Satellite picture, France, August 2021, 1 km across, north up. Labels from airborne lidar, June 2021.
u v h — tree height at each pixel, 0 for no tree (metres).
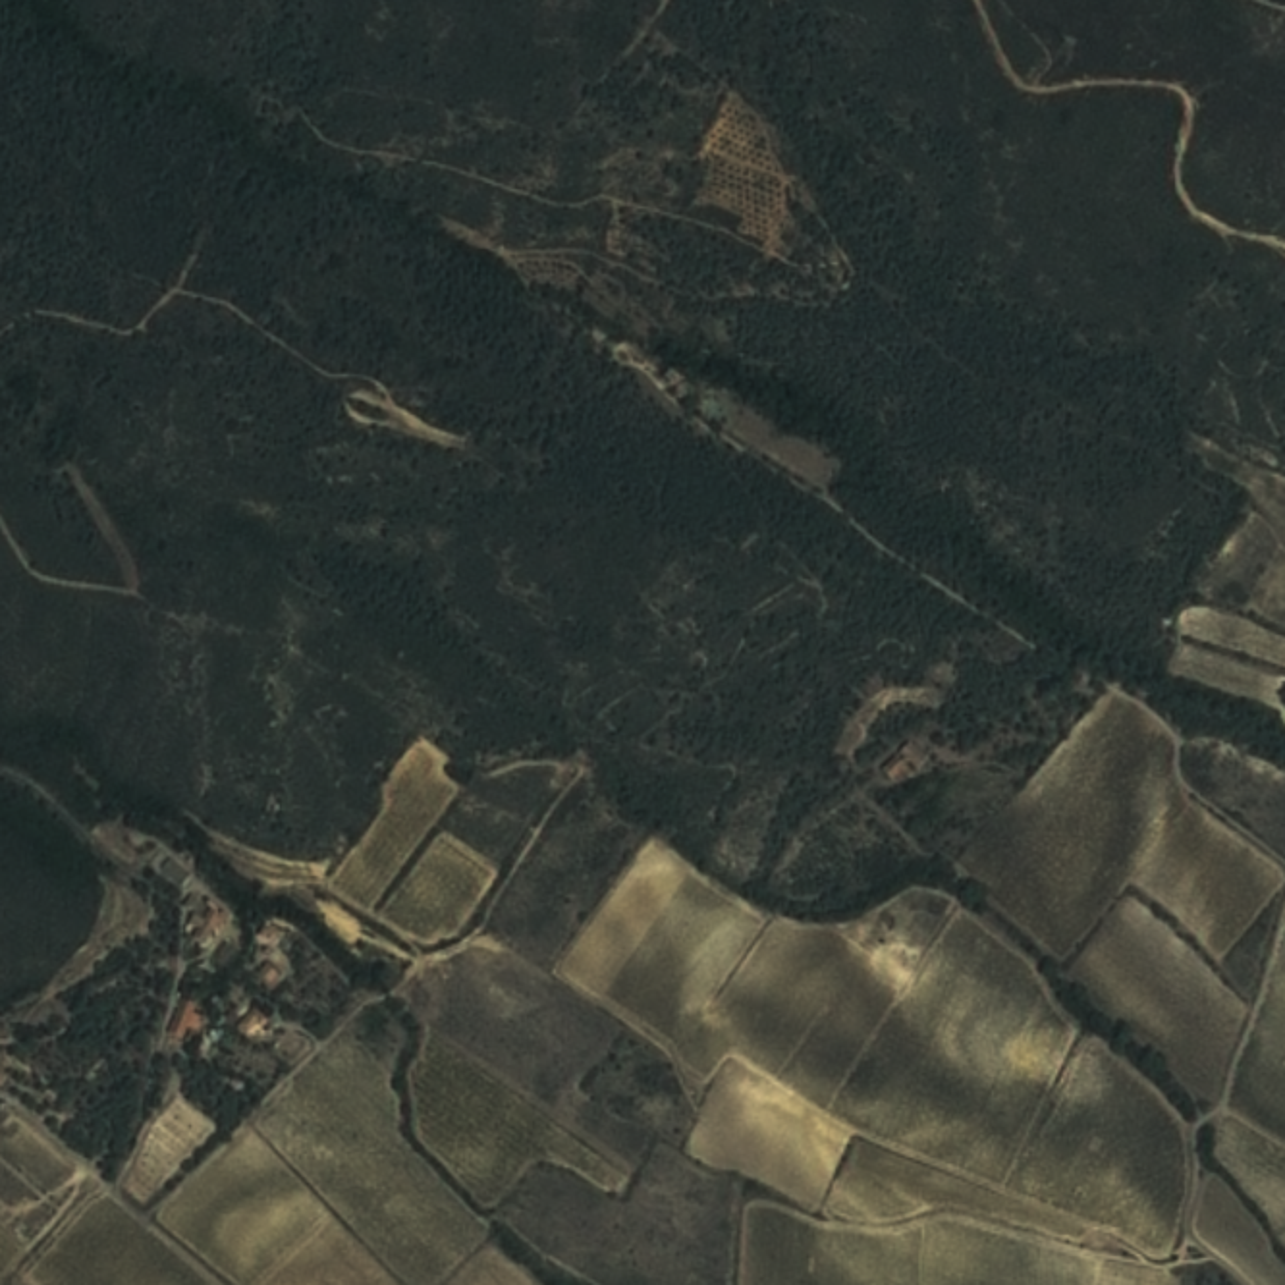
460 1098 0
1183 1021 0
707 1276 0
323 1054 0
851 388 7
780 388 7
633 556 0
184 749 0
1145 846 0
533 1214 0
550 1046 0
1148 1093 0
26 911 0
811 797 8
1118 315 0
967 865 0
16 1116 0
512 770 0
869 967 0
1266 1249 0
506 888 0
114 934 0
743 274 8
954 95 0
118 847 0
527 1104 0
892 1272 0
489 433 7
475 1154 0
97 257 7
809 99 11
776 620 8
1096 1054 0
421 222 9
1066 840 0
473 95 0
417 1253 0
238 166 11
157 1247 0
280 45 11
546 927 0
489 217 0
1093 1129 0
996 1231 0
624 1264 0
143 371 0
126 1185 0
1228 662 0
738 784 7
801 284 8
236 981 7
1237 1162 0
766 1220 0
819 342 8
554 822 0
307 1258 0
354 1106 0
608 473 6
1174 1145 0
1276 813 0
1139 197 0
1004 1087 0
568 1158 0
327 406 7
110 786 7
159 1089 12
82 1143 10
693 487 8
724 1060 0
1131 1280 0
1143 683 13
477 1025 0
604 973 0
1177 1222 0
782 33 7
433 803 0
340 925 0
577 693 0
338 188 7
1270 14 0
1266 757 6
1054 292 0
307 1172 0
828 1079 0
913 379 7
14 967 0
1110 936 0
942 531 11
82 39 8
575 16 0
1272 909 0
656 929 0
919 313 8
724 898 0
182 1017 0
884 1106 0
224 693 0
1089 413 0
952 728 12
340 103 0
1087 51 0
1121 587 7
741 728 7
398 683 0
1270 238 0
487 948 0
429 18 0
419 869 0
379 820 0
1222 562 0
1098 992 0
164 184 10
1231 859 0
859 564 9
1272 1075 0
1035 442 7
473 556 0
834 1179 0
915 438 6
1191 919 0
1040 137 0
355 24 0
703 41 9
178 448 0
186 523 0
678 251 8
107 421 0
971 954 0
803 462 0
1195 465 10
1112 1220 0
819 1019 0
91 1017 11
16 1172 0
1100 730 0
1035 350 9
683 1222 0
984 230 0
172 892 10
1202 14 0
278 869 0
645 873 0
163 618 0
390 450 6
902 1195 0
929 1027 0
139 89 6
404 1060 7
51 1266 0
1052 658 14
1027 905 0
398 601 9
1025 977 0
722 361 8
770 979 0
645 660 0
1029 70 0
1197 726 11
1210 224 0
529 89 0
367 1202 0
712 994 0
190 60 0
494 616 0
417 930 0
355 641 0
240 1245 0
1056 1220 0
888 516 14
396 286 0
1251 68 0
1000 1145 0
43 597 0
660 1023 0
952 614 9
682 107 9
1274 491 0
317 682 0
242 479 0
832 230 7
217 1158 0
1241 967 0
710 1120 0
